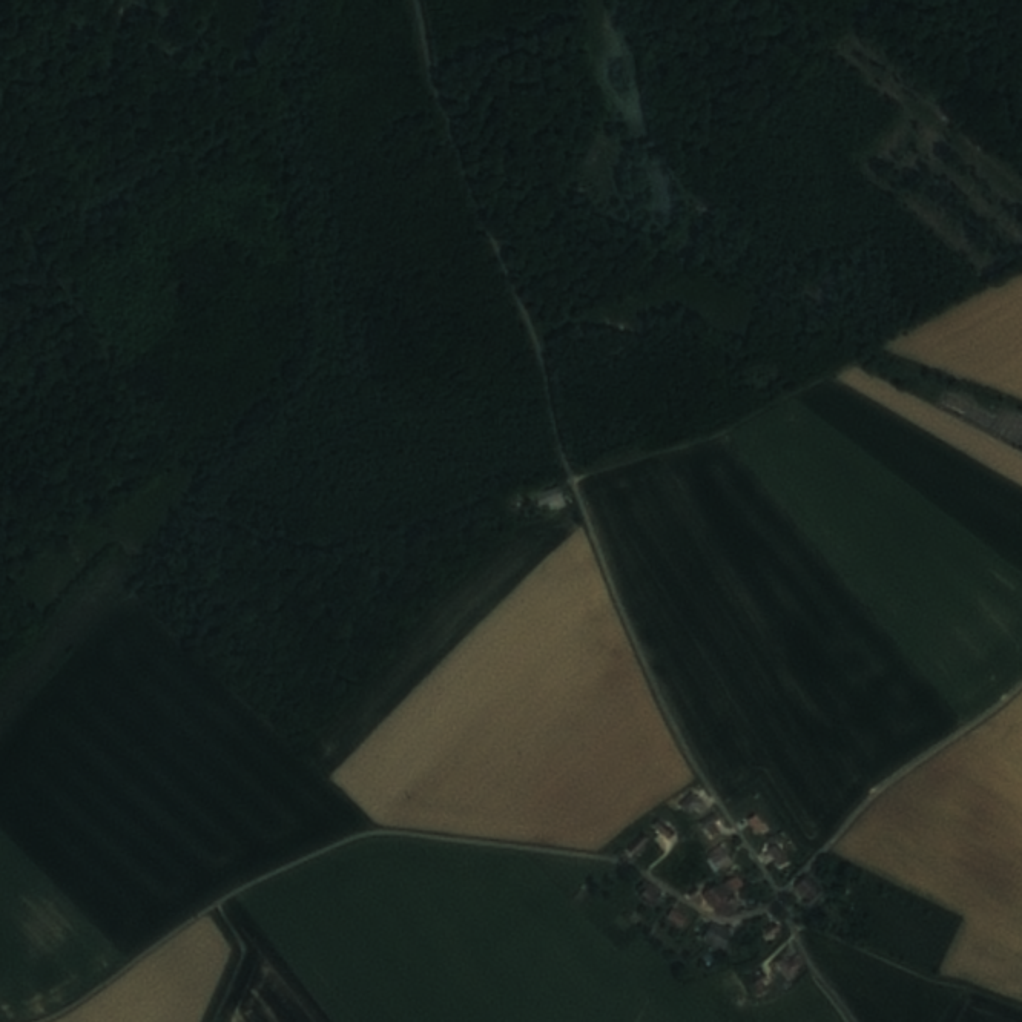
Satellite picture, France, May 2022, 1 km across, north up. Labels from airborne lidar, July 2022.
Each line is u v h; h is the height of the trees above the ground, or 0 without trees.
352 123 12
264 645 27
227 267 9
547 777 0
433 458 15
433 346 27
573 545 0
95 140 20
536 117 23
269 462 19
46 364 21
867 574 0
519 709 0
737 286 10
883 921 0
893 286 18
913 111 0
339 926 0
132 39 21
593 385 16
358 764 0
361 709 0
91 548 0
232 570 27
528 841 0
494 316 17
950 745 0
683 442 13
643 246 26
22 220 26
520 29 9
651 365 17
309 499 19
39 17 16
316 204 15
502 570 0
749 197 18
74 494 25
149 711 0
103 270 17
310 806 0
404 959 0
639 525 0
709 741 0
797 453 0
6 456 18
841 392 0
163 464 22
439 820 0
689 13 27
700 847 0
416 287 24
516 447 16
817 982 0
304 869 0
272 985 0
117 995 0
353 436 18
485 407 15
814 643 0
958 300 16
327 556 24
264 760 0
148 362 11
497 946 0
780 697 0
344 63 11
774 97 24
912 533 0
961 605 0
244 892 0
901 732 0
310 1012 0
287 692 25
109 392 19
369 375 17
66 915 0
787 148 15
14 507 22
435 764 0
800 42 24
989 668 0
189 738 0
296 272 8
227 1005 0
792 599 0
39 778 0
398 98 11
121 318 15
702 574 0
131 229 16
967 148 0
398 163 17
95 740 0
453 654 0
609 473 0
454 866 0
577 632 0
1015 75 25
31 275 21
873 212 18
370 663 24
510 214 24
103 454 18
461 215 20
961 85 29
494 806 0
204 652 27
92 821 0
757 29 28
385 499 17
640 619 0
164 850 0
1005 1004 0
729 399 8
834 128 16
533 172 22
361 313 17
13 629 21
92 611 0
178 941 0
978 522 0
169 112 22
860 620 0
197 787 0
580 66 30
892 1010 0
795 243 20
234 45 0
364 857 0
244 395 11
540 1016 0
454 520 23
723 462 0
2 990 0
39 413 20
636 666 0
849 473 0
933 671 0
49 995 0
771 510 0
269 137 20
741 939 6
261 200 18
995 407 0
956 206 25
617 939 0
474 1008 0
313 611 31
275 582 28
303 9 20
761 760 0
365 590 25
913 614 0
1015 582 0
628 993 0
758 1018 0
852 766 0
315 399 18
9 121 21
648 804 0
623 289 23
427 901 0
